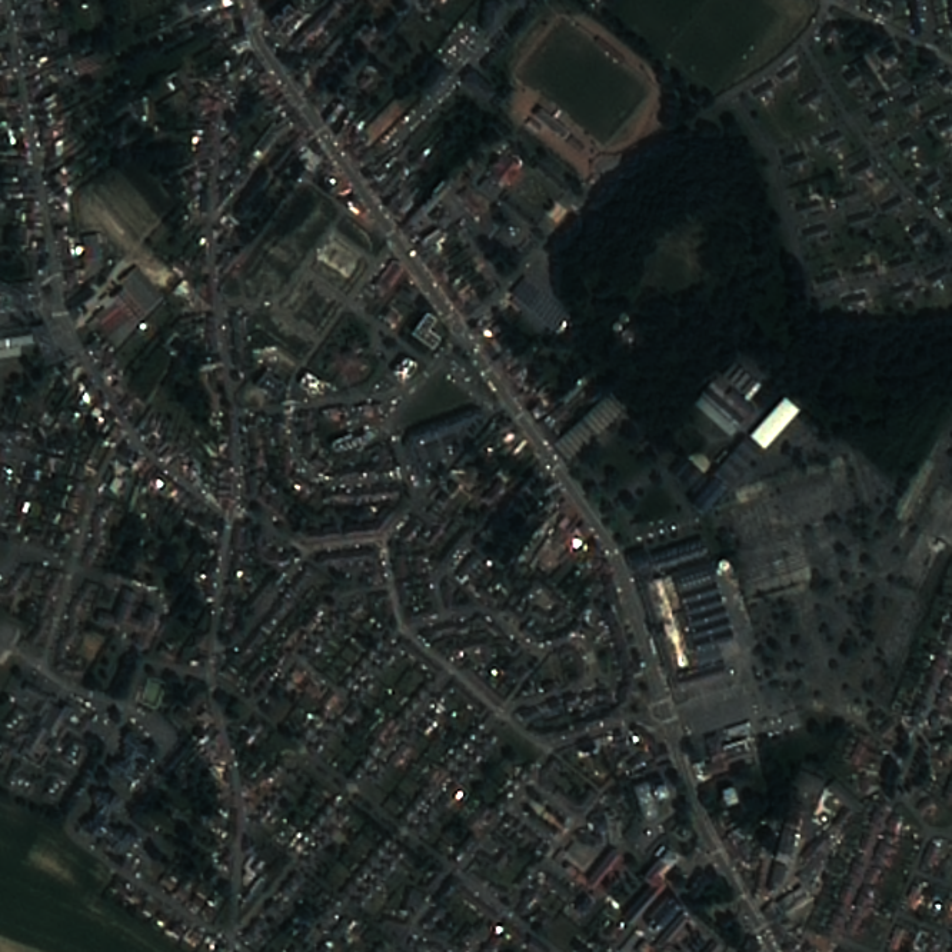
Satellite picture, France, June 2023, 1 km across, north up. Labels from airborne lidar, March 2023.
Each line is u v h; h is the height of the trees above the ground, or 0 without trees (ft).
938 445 0
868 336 51
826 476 0
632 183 66
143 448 0
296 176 26
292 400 0
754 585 0
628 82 0
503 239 0
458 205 0
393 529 0
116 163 42
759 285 23
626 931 0
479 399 0
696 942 36
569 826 0
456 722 0
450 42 0
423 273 0
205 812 49
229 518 0
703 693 0
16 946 0
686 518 0
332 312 0
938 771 0
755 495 0
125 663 31
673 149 57
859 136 0
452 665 0
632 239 27
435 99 0
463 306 0
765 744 28
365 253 0
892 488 0
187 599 30
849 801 0
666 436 60
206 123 0
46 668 0
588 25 0
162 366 0
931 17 0
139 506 0
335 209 0
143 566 20
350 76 0
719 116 0
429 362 0
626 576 0
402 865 0
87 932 0
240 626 23
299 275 0
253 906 0
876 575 0
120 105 26
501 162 0
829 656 0
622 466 0
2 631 0
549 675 0
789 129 0
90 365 0
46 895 0
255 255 0
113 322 0
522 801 0
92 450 0
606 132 0
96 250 0
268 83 0
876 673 0
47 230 0
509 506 56
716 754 0
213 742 0
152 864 0
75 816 0
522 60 0
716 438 0
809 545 0
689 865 0
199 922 0
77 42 48
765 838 49
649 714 0
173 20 26
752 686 0
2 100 0
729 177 55
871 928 0
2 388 0
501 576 30
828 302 0
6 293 0
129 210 0
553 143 0
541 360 17
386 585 0
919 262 0
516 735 0
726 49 0
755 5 0
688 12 0
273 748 0
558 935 0
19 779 0
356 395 0
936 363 31
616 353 40
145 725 0
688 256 0
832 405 54
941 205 0
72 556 0
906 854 0
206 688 20
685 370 60
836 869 0
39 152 0
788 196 0
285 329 0
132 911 23
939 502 0
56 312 0
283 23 0
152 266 0
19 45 0
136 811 46
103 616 0
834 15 0
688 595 0
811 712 0
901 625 0
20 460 0
